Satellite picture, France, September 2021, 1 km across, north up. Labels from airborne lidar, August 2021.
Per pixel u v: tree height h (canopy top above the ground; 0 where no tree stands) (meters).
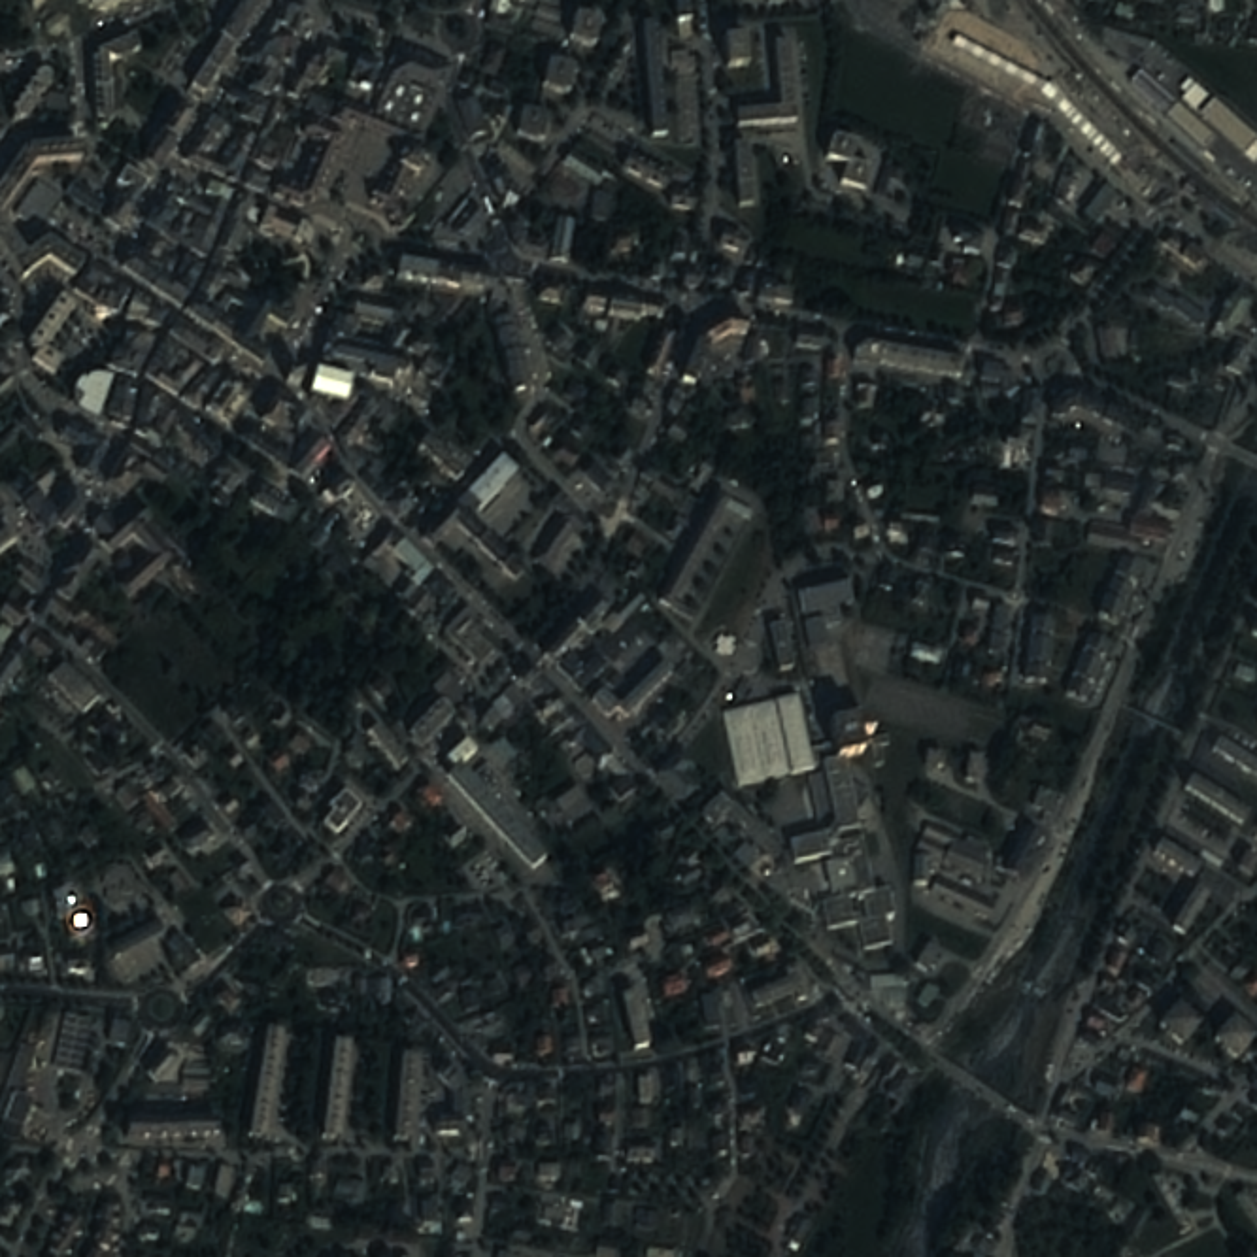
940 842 0
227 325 0
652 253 7
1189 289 9
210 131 0
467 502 0
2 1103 0
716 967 0
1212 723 0
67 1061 0
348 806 0
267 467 12
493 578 0
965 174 0
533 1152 11
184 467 0
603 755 0
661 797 14
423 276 0
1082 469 6
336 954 0
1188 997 15
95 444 0
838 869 0
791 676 0
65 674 0
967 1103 0
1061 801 0
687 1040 5
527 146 9
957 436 16
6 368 0
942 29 0
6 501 0
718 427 9
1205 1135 8
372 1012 6
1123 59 0
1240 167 0
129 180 0
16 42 12
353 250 0
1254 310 6
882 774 0
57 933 7
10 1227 6
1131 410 10
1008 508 6
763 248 6
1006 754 16
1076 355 9
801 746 0
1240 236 0
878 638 0
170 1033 0
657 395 0
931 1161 0
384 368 0
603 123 0
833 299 10
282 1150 0
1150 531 0
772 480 14
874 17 0
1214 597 11
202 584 17
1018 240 9
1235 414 0
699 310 0
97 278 0
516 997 7
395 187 0
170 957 16
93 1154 0
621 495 0
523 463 6
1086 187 0
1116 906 7
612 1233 7
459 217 0
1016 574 0
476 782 0
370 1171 5
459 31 10
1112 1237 9
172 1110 0
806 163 0
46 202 0
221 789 8
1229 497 12
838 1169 0
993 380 0
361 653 14
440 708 0
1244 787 0
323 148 0
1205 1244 0
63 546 9
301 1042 12
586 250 11
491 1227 8
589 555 8
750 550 0
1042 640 0
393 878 7
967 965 0
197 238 0
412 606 0
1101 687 0
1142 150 0
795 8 8
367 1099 13
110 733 0
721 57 0
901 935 0
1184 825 0
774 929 12
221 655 12
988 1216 23
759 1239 8
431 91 0
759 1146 8
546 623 11
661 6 0
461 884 15
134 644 0
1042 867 0
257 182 0
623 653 0
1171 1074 8
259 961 8
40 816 6
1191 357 9
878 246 9
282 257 10
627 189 9
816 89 0
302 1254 8
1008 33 0
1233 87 0
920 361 0
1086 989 0
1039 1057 0
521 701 0
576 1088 7
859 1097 0
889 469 6
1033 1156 0
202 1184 7
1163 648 11
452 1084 0
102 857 9
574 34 0
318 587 16
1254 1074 12
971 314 0
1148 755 15
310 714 17
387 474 7
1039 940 7
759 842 0
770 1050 0
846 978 0
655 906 9
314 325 0
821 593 0
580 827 14
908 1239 0
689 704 6
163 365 0
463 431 14
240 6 0
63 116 7
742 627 0
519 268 0
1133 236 8
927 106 0
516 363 0
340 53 0
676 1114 9
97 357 10
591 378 0
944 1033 0
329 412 0
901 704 0
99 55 0
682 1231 0
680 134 0
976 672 8
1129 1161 9
